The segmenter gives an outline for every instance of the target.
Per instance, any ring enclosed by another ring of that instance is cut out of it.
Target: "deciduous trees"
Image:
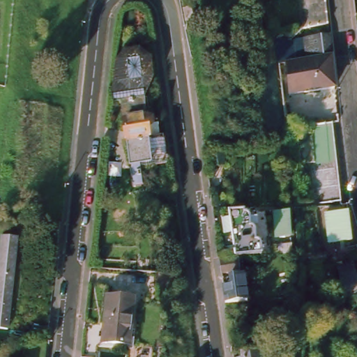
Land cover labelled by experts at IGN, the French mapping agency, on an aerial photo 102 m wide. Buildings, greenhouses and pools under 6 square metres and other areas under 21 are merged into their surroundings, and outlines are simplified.
[[[223,183],[219,181],[215,187],[209,188],[209,194],[215,213],[216,255],[222,261],[236,259],[236,250],[227,250],[222,244],[225,231],[222,216],[227,215],[229,206],[234,206],[233,185],[229,180],[223,180]]]
[[[213,117],[215,130],[213,134],[204,138],[201,149],[204,176],[212,178],[219,166],[223,167],[223,172],[237,166],[245,167],[245,159],[250,158],[252,153],[257,153],[258,162],[262,163],[264,169],[272,167],[276,181],[280,184],[279,199],[283,202],[289,202],[289,199],[296,197],[298,204],[301,199],[314,199],[315,204],[319,206],[322,194],[319,194],[321,183],[317,178],[317,121],[305,121],[304,117],[298,114],[290,114],[287,117],[286,127],[278,128],[276,131],[264,131],[265,119],[262,116],[265,114],[265,103],[272,98],[272,89],[266,85],[264,75],[268,68],[265,54],[268,53],[272,42],[262,31],[261,22],[257,20],[262,14],[261,6],[255,0],[240,0],[236,7],[231,8],[233,18],[230,33],[225,36],[218,32],[219,22],[223,18],[222,13],[209,8],[205,10],[201,1],[195,1],[191,7],[192,14],[187,20],[188,32],[194,26],[206,29],[205,22],[208,21],[211,31],[201,38],[201,45],[208,52],[206,57],[211,61],[208,75],[215,75],[216,79],[222,79],[222,75],[227,77],[227,84],[231,88],[226,98],[215,99],[222,113]]]
[[[183,247],[176,241],[170,240],[163,233],[156,233],[156,259],[153,264],[160,273],[155,279],[160,304],[169,319],[165,325],[158,326],[162,331],[173,333],[172,346],[176,349],[178,344],[184,344],[185,351],[195,351],[195,317],[191,317],[180,303],[181,294],[178,293],[187,287],[187,282],[181,278],[180,272],[187,271],[187,262]]]
[[[342,339],[337,342],[332,340],[331,349],[335,357],[357,357],[357,350],[351,344],[344,343]]]
[[[31,67],[33,79],[38,81],[45,92],[59,85],[67,75],[66,56],[56,49],[47,49],[43,52],[43,57],[32,61]]]
[[[258,346],[252,340],[251,333],[241,335],[240,332],[233,332],[230,329],[231,346],[243,349],[244,353],[257,350]]]
[[[17,211],[21,225],[33,225],[38,220],[38,211],[35,205],[24,202],[24,208]]]
[[[331,321],[328,321],[332,329],[340,328],[343,324],[350,332],[357,331],[357,296],[354,296],[353,289],[343,290],[339,283],[326,282],[322,284],[322,290],[331,294],[325,298],[322,305],[324,308],[333,315]]]

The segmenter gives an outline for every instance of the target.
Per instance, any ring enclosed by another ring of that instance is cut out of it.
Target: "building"
[[[342,201],[333,128],[342,119],[336,107],[335,82],[339,81],[340,77],[336,71],[336,54],[328,56],[325,53],[324,33],[317,33],[305,36],[304,50],[307,53],[304,56],[282,61],[278,63],[279,89],[283,113],[287,117],[290,114],[298,114],[304,117],[305,121],[317,121],[317,178],[321,183],[319,194],[322,194],[319,206],[328,241],[339,241],[351,240],[353,233],[349,209],[329,209],[332,202]]]
[[[123,160],[117,156],[110,166],[110,174],[117,176],[121,170],[126,169]]]
[[[145,103],[144,89],[151,84],[153,77],[152,57],[146,53],[139,57],[135,47],[128,42],[120,43],[117,50],[112,84],[112,85],[113,98],[119,100],[120,113],[123,114],[124,124],[119,131],[127,139],[130,160],[127,169],[132,169],[132,185],[139,187],[142,185],[142,170],[146,169],[146,166],[166,163],[169,156],[166,153],[165,138],[159,131],[159,123],[149,123],[144,112],[131,112],[130,109],[137,103]]]
[[[284,208],[282,219],[276,225],[275,231],[272,231],[266,229],[264,212],[252,213],[247,206],[234,206],[229,206],[227,215],[222,216],[225,231],[222,244],[227,250],[236,250],[236,259],[222,261],[216,266],[215,271],[223,276],[222,291],[227,297],[227,304],[248,300],[247,276],[243,271],[252,261],[250,254],[259,254],[262,247],[266,251],[273,248],[280,252],[290,250],[291,213],[289,208]]]
[[[8,315],[13,296],[15,258],[17,245],[21,243],[21,236],[0,236],[0,328],[10,325],[11,321]]]
[[[137,304],[137,297],[128,291],[107,291],[103,303],[102,322],[99,336],[103,342],[134,336],[132,315],[121,310]]]
[[[290,4],[291,18],[300,24],[297,28],[298,31],[304,31],[315,26],[328,25],[326,0],[296,0]]]

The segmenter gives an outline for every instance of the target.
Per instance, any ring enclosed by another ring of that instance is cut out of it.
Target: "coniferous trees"
[[[308,342],[317,342],[319,337],[332,329],[328,321],[331,321],[333,315],[324,308],[311,303],[304,305],[304,310],[307,311],[305,325]]]
[[[275,319],[268,318],[264,322],[258,322],[251,333],[252,340],[258,346],[257,350],[262,357],[293,357],[296,354],[293,351],[294,340],[287,335],[286,324],[282,325]]]

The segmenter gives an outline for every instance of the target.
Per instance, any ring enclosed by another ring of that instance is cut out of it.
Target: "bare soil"
[[[21,243],[17,245],[15,258],[13,296],[8,315],[11,321],[17,310],[20,290]]]

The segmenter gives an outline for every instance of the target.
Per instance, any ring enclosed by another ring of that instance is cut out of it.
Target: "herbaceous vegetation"
[[[112,127],[119,131],[124,124],[123,114],[120,113],[119,100],[113,98],[113,109],[110,114]]]
[[[278,63],[282,61],[284,53],[293,46],[293,42],[290,36],[279,38],[276,33],[289,33],[297,28],[300,24],[291,18],[290,4],[296,0],[255,0],[261,6],[262,14],[257,20],[261,22],[262,31],[272,42],[268,53],[265,54],[268,68],[264,75],[266,85],[272,89],[272,98],[265,103],[265,114],[262,116],[265,119],[264,131],[276,131],[278,128],[286,127],[287,117],[283,113],[279,89]]]
[[[63,177],[68,173],[71,160],[79,54],[86,45],[82,36],[82,24],[85,24],[88,6],[84,0],[0,0],[0,202],[13,206],[24,202],[35,205],[38,211],[40,209],[43,213],[49,213],[56,223],[63,216],[66,199]],[[38,81],[33,79],[31,67],[32,61],[43,57],[43,52],[47,49],[56,49],[66,56],[67,75],[59,85],[45,92]]]
[[[85,328],[82,329],[81,335],[81,357],[93,357],[93,353],[88,351],[88,331],[96,322],[102,322],[103,303],[107,291],[105,284],[89,282]]]
[[[124,13],[121,22],[126,28],[132,28],[128,42],[135,47],[139,57],[146,53],[151,49],[153,38],[148,35],[146,29],[146,14],[130,10]]]
[[[102,259],[105,272],[120,275],[124,272],[138,283],[144,283],[148,278],[145,273],[139,272],[138,264],[107,262],[107,258],[146,258],[149,259],[149,264],[153,264],[156,259],[156,233],[163,233],[170,240],[176,241],[181,237],[181,220],[177,213],[173,213],[177,209],[177,192],[172,191],[159,195],[158,201],[163,208],[156,215],[152,215],[153,234],[148,234],[146,238],[141,238],[141,226],[139,223],[130,222],[127,212],[123,209],[117,209],[113,216],[102,209],[98,258]]]
[[[264,169],[262,163],[258,162],[257,153],[252,153],[250,158],[245,159],[245,167],[237,166],[223,172],[219,181],[223,183],[223,180],[229,180],[233,185],[234,206],[247,206],[252,213],[264,212],[266,229],[272,231],[275,231],[276,225],[282,219],[284,208],[283,202],[279,199],[280,184],[276,181],[272,167]]]
[[[162,331],[158,326],[165,325],[169,319],[160,304],[145,304],[145,297],[142,294],[137,297],[137,304],[121,310],[132,315],[134,336],[137,342],[135,344],[152,346],[159,343]]]

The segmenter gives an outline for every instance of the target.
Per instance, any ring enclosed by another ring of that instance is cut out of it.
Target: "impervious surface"
[[[82,36],[86,45],[79,54],[71,160],[68,173],[63,177],[66,199],[63,216],[56,223],[59,233],[53,241],[57,245],[54,266],[60,272],[60,278],[54,282],[54,307],[63,311],[63,321],[60,328],[54,332],[54,336],[50,337],[50,343],[53,343],[54,353],[59,353],[60,357],[81,357],[81,335],[82,329],[85,328],[89,282],[105,284],[107,291],[128,291],[137,297],[142,294],[145,297],[145,304],[160,304],[155,279],[160,273],[153,264],[149,264],[149,259],[146,258],[107,258],[107,262],[138,264],[139,272],[145,273],[148,278],[144,283],[138,283],[124,272],[120,275],[105,272],[93,273],[88,268],[88,255],[91,248],[96,178],[99,173],[105,173],[106,176],[110,174],[110,166],[117,156],[123,160],[126,169],[127,169],[130,160],[127,139],[119,131],[112,127],[107,130],[103,127],[103,113],[106,92],[112,85],[112,84],[107,82],[107,71],[112,49],[114,17],[119,8],[130,1],[141,1],[146,4],[155,26],[156,36],[153,38],[151,49],[146,53],[152,57],[153,77],[158,78],[160,88],[160,95],[155,100],[160,109],[166,112],[165,120],[160,120],[159,123],[159,131],[165,138],[166,153],[169,156],[173,158],[174,174],[177,178],[177,183],[172,185],[172,191],[177,192],[177,209],[173,213],[177,213],[181,220],[181,237],[176,241],[183,247],[187,262],[187,271],[180,272],[181,278],[187,282],[187,287],[178,293],[181,294],[180,303],[191,317],[195,317],[195,351],[194,357],[262,357],[257,350],[244,353],[243,349],[231,346],[230,329],[231,321],[225,317],[227,304],[227,297],[222,291],[223,276],[215,271],[216,266],[222,261],[216,255],[215,213],[209,194],[209,188],[215,187],[219,181],[223,172],[223,167],[219,166],[212,178],[204,176],[201,149],[204,138],[188,32],[187,20],[192,14],[191,7],[183,6],[181,0],[84,0],[88,6],[85,24],[82,24]],[[100,138],[102,137],[109,137],[110,139],[109,156],[107,156],[107,165],[105,167],[100,167],[98,165]]]
[[[135,344],[137,342],[134,336],[103,342],[99,336],[102,322],[96,322],[88,331],[88,351],[93,353],[93,357],[160,357],[162,353],[159,343],[152,346]]]
[[[297,28],[289,33],[276,33],[279,38],[290,36],[293,42],[293,46],[284,53],[282,61],[304,56],[307,53],[304,50],[305,36],[317,33],[324,33],[325,53],[328,56],[336,54],[336,71],[340,77],[339,81],[335,82],[336,107],[342,119],[333,128],[342,201],[332,202],[329,209],[349,209],[353,233],[351,240],[339,241],[344,251],[357,250],[357,0],[326,0],[328,25],[315,26],[304,31],[298,31]]]

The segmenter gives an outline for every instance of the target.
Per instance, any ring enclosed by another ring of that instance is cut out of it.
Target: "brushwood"
[[[250,254],[252,261],[243,271],[247,276],[248,300],[227,304],[225,317],[231,321],[230,329],[233,332],[240,332],[241,335],[251,333],[258,322],[264,322],[268,318],[275,319],[282,325],[286,324],[287,335],[294,340],[293,351],[296,354],[293,357],[335,357],[331,349],[332,340],[337,342],[342,339],[344,343],[351,344],[357,350],[357,331],[350,332],[343,324],[340,328],[332,329],[319,337],[317,342],[308,342],[305,325],[307,311],[304,310],[304,305],[311,303],[324,308],[322,305],[325,298],[331,294],[322,290],[322,284],[326,282],[339,283],[343,290],[353,289],[354,296],[357,296],[357,250],[344,251],[339,241],[328,241],[319,206],[315,204],[314,199],[301,199],[298,204],[296,197],[289,199],[289,202],[283,202],[284,208],[289,208],[291,213],[290,250],[280,252],[273,248],[266,251],[262,247],[259,254]]]
[[[126,28],[121,22],[124,13],[130,10],[146,14],[146,29],[148,35],[153,38],[156,36],[155,26],[146,4],[141,1],[130,1],[119,8],[114,17],[112,49],[107,71],[107,82],[112,84],[117,50],[120,43],[128,42],[132,28]]]
[[[149,123],[159,123],[160,120],[165,120],[166,112],[160,109],[155,100],[160,95],[160,88],[158,78],[153,77],[151,84],[144,89],[145,103],[137,103],[130,109],[131,112],[144,112]]]
[[[132,185],[132,169],[127,169],[126,169],[121,170],[117,176],[110,174],[106,176],[105,173],[99,173],[96,178],[91,248],[88,255],[88,268],[93,273],[105,272],[102,259],[98,258],[102,209],[113,216],[117,209],[123,209],[127,212],[130,222],[139,223],[141,226],[141,238],[146,238],[148,234],[153,234],[152,215],[156,215],[163,208],[158,201],[159,195],[172,191],[172,185],[177,183],[177,178],[174,174],[173,158],[169,156],[166,163],[146,166],[146,169],[142,170],[142,185],[139,187]]]
[[[162,353],[160,357],[194,357],[195,351],[185,351],[184,344],[178,344],[176,349],[172,346],[173,333],[162,331],[159,343]]]
[[[215,75],[208,75],[211,61],[206,57],[208,52],[201,45],[201,38],[211,31],[208,21],[205,22],[206,29],[194,26],[188,32],[204,138],[213,134],[215,130],[213,117],[222,113],[215,99],[226,98],[231,88],[227,84],[227,77],[222,75],[222,79],[216,79]]]
[[[110,139],[109,137],[102,137],[100,138],[98,165],[100,167],[105,167],[107,165],[107,156],[109,156]]]
[[[53,343],[50,343],[50,337],[54,336],[54,332],[60,328],[63,321],[63,311],[54,307],[54,282],[60,278],[60,272],[54,266],[57,245],[53,241],[59,233],[56,223],[49,213],[43,213],[40,209],[38,211],[38,220],[33,225],[21,225],[17,211],[24,208],[24,202],[13,206],[0,202],[0,236],[21,236],[21,243],[20,290],[17,310],[11,321],[10,325],[0,328],[0,357],[60,357],[59,353],[54,353]]]
[[[103,127],[107,130],[112,127],[110,114],[113,109],[113,98],[112,85],[106,92],[103,113]]]
[[[201,1],[205,10],[209,8],[222,13],[223,18],[219,22],[218,32],[225,36],[230,33],[233,18],[231,8],[236,7],[240,0],[181,0],[183,6],[191,7],[195,1]]]

